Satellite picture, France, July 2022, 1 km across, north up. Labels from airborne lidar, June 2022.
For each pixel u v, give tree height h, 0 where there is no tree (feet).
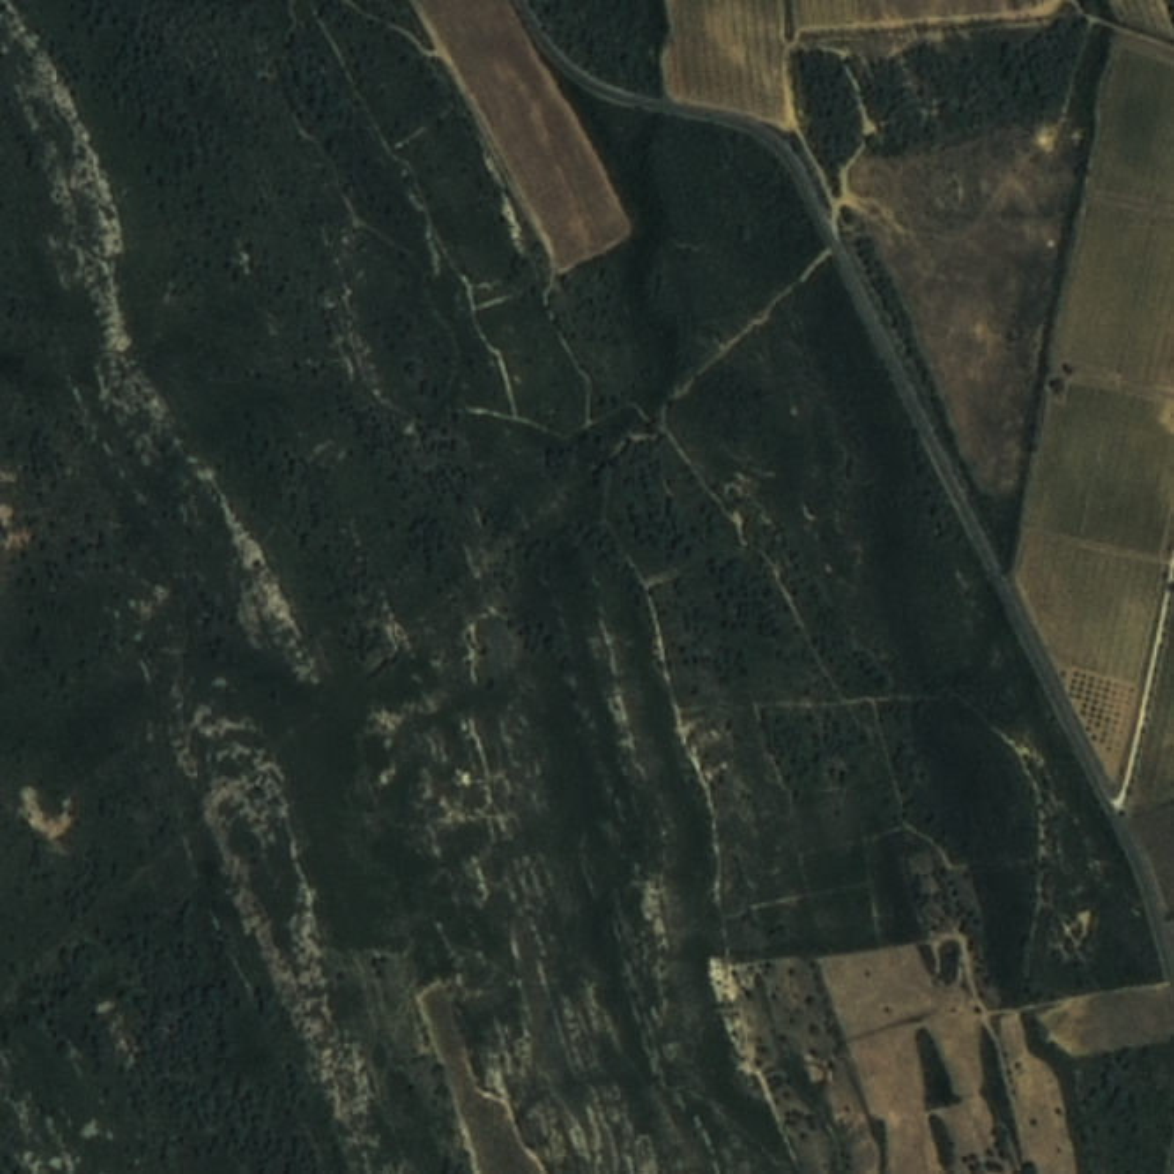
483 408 0
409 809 0
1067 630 0
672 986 0
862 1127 0
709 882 0
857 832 0
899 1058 0
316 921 0
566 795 0
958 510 0
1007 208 0
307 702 0
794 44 0
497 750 0
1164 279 0
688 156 23
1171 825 0
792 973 27
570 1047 0
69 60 37
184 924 32
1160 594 0
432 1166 0
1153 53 0
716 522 19
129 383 0
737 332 0
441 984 0
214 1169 0
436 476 31
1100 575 0
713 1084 0
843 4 0
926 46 27
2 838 0
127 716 0
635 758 0
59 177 0
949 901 28
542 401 0
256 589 0
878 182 0
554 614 0
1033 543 0
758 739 0
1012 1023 0
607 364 0
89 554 33
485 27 0
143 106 26
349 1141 0
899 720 25
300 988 0
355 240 0
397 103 0
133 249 0
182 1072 33
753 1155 0
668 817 0
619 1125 0
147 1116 36
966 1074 0
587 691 0
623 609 0
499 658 0
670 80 0
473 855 0
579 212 0
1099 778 0
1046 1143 0
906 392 0
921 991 0
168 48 31
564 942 0
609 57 27
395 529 28
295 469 39
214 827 0
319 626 0
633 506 27
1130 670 0
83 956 49
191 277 26
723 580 39
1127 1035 0
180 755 0
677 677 0
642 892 0
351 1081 0
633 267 19
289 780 0
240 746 0
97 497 0
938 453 0
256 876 0
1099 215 0
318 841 0
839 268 19
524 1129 0
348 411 31
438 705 0
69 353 0
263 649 0
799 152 29
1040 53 35
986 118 39
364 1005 0
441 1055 0
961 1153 0
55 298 0
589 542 29
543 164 0
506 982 0
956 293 0
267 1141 37
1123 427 0
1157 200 0
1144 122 0
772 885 0
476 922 0
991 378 0
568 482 0
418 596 0
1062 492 0
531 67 0
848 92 30
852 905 0
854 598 0
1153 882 0
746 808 0
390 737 0
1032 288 0
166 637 0
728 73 0
